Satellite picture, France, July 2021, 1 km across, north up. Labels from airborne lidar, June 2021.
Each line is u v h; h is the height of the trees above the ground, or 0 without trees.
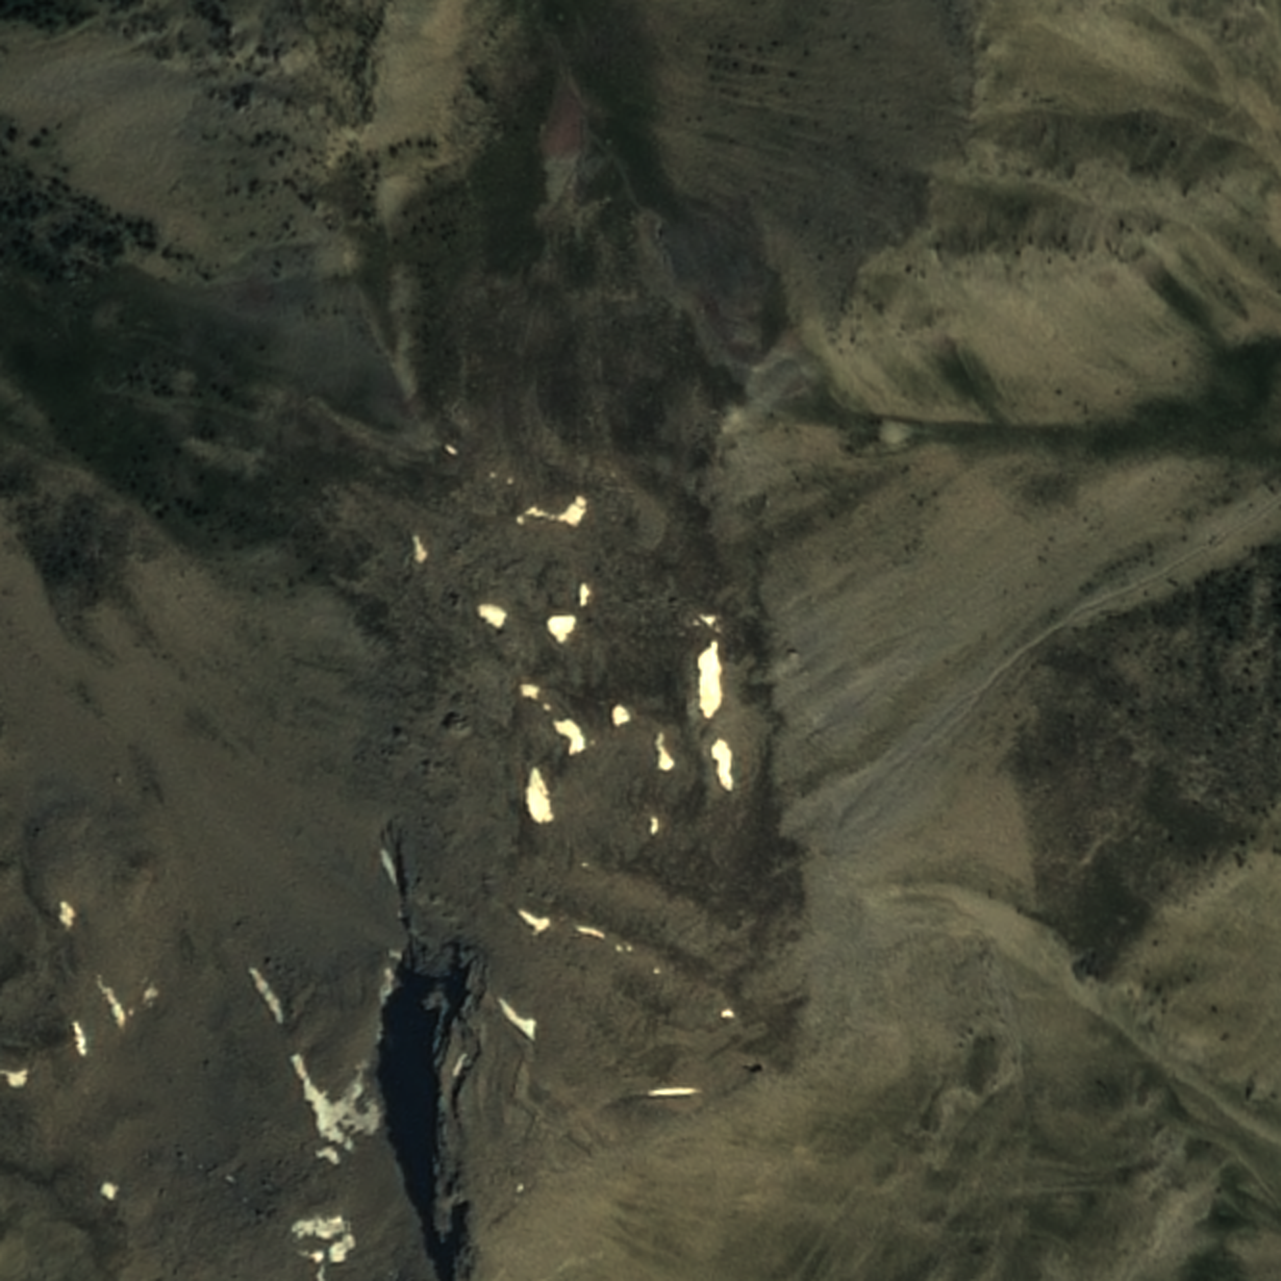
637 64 0
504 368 0
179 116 0
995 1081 0
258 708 0
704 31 0
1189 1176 0
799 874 0
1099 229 0
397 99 0
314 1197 0
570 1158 0
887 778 0
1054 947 0
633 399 0
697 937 0
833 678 0
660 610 0
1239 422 0
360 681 0
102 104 0
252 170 0
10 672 0
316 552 0
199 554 0
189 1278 0
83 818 0
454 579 0
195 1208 0
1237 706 0
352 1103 0
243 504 0
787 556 0
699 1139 0
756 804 0
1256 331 0
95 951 0
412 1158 0
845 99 0
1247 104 0
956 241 0
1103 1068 0
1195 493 0
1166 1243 0
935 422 0
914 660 0
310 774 0
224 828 0
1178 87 0
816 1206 0
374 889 0
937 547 0
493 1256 0
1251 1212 0
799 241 0
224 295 0
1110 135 0
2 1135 0
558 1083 0
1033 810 0
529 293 0
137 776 0
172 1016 0
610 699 0
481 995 0
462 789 0
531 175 0
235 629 0
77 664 0
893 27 0
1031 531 0
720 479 0
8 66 0
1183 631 0
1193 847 0
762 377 0
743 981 0
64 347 0
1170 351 0
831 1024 0
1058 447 0
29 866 0
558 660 0
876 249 0
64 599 0
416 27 0
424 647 0
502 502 0
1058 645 0
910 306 0
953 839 0
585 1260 0
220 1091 0
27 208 10
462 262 0
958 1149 0
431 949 0
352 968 0
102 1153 0
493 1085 0
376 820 0
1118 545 0
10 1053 0
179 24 0
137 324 0
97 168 0
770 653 0
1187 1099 0
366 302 0
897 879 0
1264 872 0
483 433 0
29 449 0
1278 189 0
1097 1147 0
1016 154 0
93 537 0
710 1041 0
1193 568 0
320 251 0
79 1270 0
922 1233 0
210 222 0
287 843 0
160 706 0
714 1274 0
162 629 0
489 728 0
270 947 0
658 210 0
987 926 0
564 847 0
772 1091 0
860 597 0
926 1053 0
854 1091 0
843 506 0
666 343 0
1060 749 0
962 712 0
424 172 0
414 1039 0
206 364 0
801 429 0
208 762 0
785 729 0
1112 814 0
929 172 0
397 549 0
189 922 0
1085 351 0
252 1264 0
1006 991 0
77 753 0
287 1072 0
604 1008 0
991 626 0
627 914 0
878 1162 0
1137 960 0
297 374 0
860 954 0
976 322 0
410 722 0
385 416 0
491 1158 0
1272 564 0
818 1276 0
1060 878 0
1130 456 0
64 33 0
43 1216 0
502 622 0
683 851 0
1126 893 0
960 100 0
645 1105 0
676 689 0
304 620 0
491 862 0
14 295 0
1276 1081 0
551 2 0
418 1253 0
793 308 0
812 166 0
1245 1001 0
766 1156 0
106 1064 0
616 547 0
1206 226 0
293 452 0
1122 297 0
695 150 0
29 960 0
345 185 0
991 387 0
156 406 0
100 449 0
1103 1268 0
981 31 0
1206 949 0
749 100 0
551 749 0
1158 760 0
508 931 0
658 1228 0
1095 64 0
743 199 0
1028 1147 0
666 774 0
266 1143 0
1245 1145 0
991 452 0
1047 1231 0
